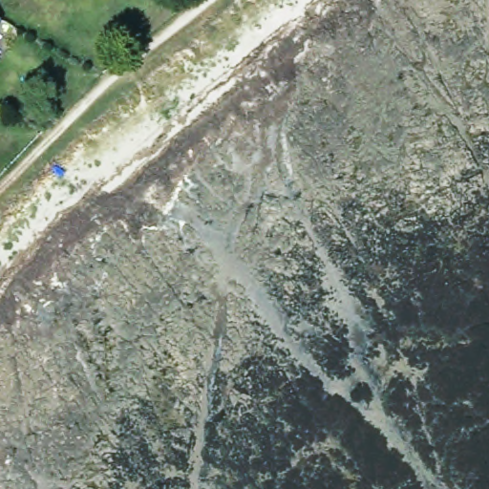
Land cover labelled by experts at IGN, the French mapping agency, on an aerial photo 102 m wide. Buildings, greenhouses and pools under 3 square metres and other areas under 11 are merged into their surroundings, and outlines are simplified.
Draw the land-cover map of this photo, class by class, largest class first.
<instances>
[{"label":"bare soil","instance_id":"1","mask_svg":"<svg viewBox=\"0 0 489 489\"><path fill-rule=\"evenodd\" d=\"M239 44L235 50H218L214 57H204L202 65L191 63V50L174 53L176 61H180L185 69V80L181 84L170 86L164 96L153 101L139 97L136 109L120 113V124L109 122L97 134L88 128L86 134H82L76 143H71L69 149L55 157L50 176H46L44 180L34 181V191L27 201L11 204L6 210L8 218L0 229V489H111L109 483H115V476L111 470L113 453H132L138 449L139 441L143 439L157 457V466H153V472L162 474L164 478L189 479V489H266L264 481L271 479V474L258 472L252 460L262 455L258 443L262 441V430L266 428L269 403L283 397L287 390H300L302 386L296 380H300L308 371L311 376H317L323 382L325 392L344 397L348 405L357 409L367 422H371L374 428L380 430V434L388 441V447L397 449L403 457V462H407L415 470L416 478L420 481V489H449L445 481L434 478V474L426 468L420 455L416 453L415 447L411 445V430L405 424V420L401 416H388L384 413L382 393L386 390L388 382L399 372L407 380H411V384H418L430 369L428 359L432 351L445 348L462 350L470 346V338L458 330L455 334H443L434 327H403L395 319V315H424L422 306L432 304L443 315L458 317L466 315L468 311H474L476 300L489 292V0H271L258 15L244 13L243 23L237 29ZM336 323L348 327V365L353 369V374L346 378L329 376L306 351L309 348V334L327 336L332 332V325ZM359 382L371 388V401H355L351 397V390ZM340 441L334 437H327L325 441L306 443L292 455L290 464L298 466L302 458L336 449Z\"/></svg>","mask_w":489,"mask_h":489},{"label":"herbaceous vegetation","instance_id":"2","mask_svg":"<svg viewBox=\"0 0 489 489\"><path fill-rule=\"evenodd\" d=\"M0 19L17 29L21 23L32 29L48 27L53 40L65 42L71 52L84 55L94 63L90 71H84L80 67L73 73H65V69L57 65L53 59H46L40 65L32 53L25 32H17L6 44L4 53H0V97L13 96L19 99L25 96L29 86L25 78H40L44 82H53L55 86H63L67 82V90L61 99L67 111H71L80 99L88 96L105 76L111 74L107 73V67L97 57L96 50L97 38L109 19H115L118 27H126L130 36H134L139 44L149 46L153 36L164 31L168 25H172L178 19V15L176 11L164 8L159 0H0ZM212 6L208 10L197 15L176 34H172L159 48H149L141 53V65L136 71L115 74L117 82L103 96L96 99L94 105L86 109V113L76 118L65 130V134L55 139L52 145L32 162L29 170L13 181L0 195V229L8 218L6 210L11 204L27 201L34 191V181L44 180L46 176H50L55 157L69 149L71 143H76L82 134H86L88 128L97 134L109 122L120 124V113L136 109L139 97L153 101L164 96L170 86L181 84L185 80V69L180 61H176L174 53L191 50V63L202 65L204 57H214L218 50H235L239 44L237 29L243 23L244 13L258 15L271 0H210ZM59 120L53 115H42L36 109H27L23 113L21 122L15 126H4L0 118V180H4L21 160L31 153L44 139L46 132L52 130ZM424 315H395V319L403 327H434L443 334H455L458 330L470 338V346L462 350L445 348L432 351L428 359L430 369L418 384H411V380H407L399 372L388 382L386 390L382 393L384 413L388 416H401L405 420V424L411 430V445L415 447L416 453L420 455L426 468L434 474V478L445 481L449 489H489V292L476 300L474 311H468L466 315L458 317L443 315L432 304L422 306ZM348 327L336 323L332 325V332L327 336L309 334V348L306 351L329 376L346 378L353 374V369L348 365ZM302 386L300 390H287L283 397L269 403L266 428L262 430V441L258 443L262 455L252 460L258 472L271 474V479L264 481L266 489H420V481L416 478L415 470L407 462H403V457L397 449L388 447V441L380 434V430L374 428L371 422H367L357 409L348 405L344 397L325 392L323 382L317 376H311L308 371L300 380H296ZM327 437H334L340 441L336 449L302 458L298 466L290 464L292 455L306 443L325 441ZM351 397L355 401H371V388L359 382L351 390ZM153 466H157V457L143 439L139 441L138 449L132 453H113L111 470L115 476V483H109L111 489H189V479L164 478L162 474L153 472Z\"/></svg>","mask_w":489,"mask_h":489},{"label":"deciduous trees","instance_id":"3","mask_svg":"<svg viewBox=\"0 0 489 489\"><path fill-rule=\"evenodd\" d=\"M164 8L176 11L178 15L195 8L202 0H159ZM149 48V46L139 44L134 36H130L126 27H118L115 19H109L97 38L96 50L97 57L107 67V73L111 74H115L136 71L141 65V53ZM29 86L25 96L19 99L23 113L27 109H36L42 115H53L59 120L65 117L67 111L61 99L67 90V82L63 86H55L53 82H44L40 78H25Z\"/></svg>","mask_w":489,"mask_h":489},{"label":"pervious surface","instance_id":"4","mask_svg":"<svg viewBox=\"0 0 489 489\"><path fill-rule=\"evenodd\" d=\"M212 6L210 0H202L195 8L178 15V19L172 25H168L164 31L153 36L149 46V48H159L172 34H176L197 15L208 10ZM17 32V29L0 19V53H4L6 44ZM117 82L115 74H111L105 76L88 96L80 99L71 111H67L65 117L59 120L52 130L46 132L44 139L31 153L21 160L4 180H0V195L13 181L29 170L32 162L52 145L55 139L65 134V130L76 118L86 113V109L94 105L96 99L103 96Z\"/></svg>","mask_w":489,"mask_h":489},{"label":"brushwood","instance_id":"5","mask_svg":"<svg viewBox=\"0 0 489 489\"><path fill-rule=\"evenodd\" d=\"M17 32H25L32 53L40 65L46 59H53L57 65L65 69V73H73L80 67L84 71H90L94 63L84 55L71 52L65 42L53 40L48 27L32 29L21 23L17 29ZM0 118L4 126H15L21 122L23 113L19 99L13 96L0 97Z\"/></svg>","mask_w":489,"mask_h":489}]
</instances>
